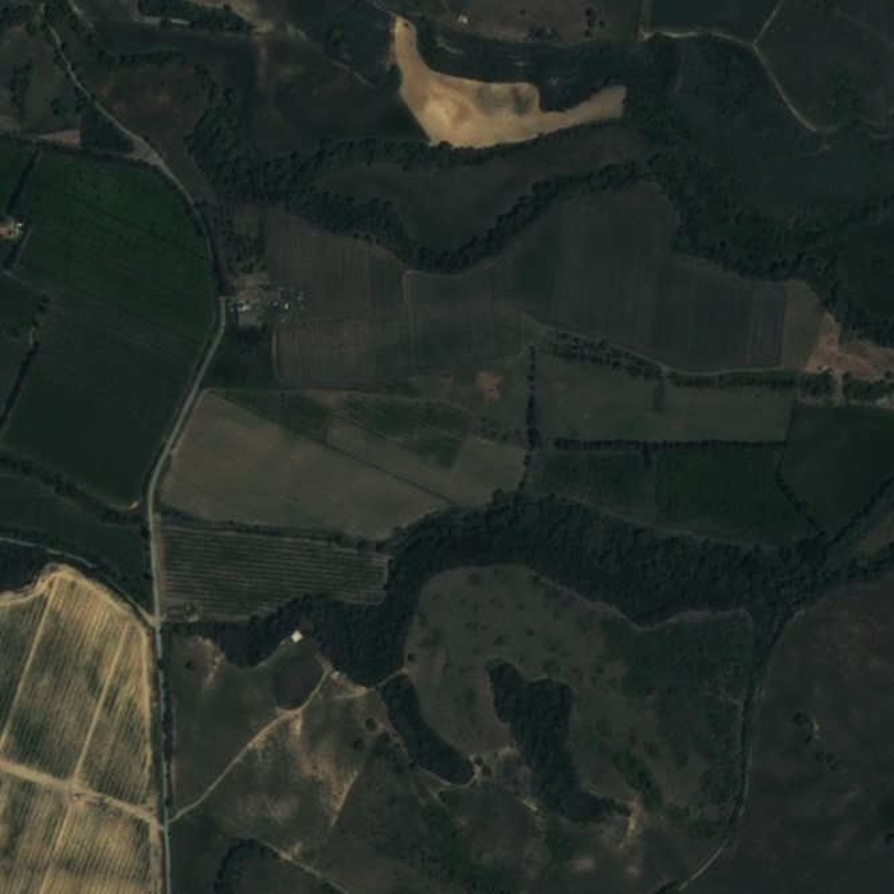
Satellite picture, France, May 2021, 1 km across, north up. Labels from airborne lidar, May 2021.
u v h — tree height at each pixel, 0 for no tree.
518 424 0
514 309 0
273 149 0
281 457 0
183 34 0
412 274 0
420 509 0
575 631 0
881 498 16
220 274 17
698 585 7
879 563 6
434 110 0
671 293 0
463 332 0
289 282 0
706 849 0
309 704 0
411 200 0
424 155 14
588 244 0
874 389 12
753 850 0
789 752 0
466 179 0
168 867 0
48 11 10
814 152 0
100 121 11
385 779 0
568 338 8
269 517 0
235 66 0
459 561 9
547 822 0
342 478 0
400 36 0
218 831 0
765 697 0
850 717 0
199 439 0
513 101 0
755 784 0
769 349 0
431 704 0
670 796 0
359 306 0
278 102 0
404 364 0
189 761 0
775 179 0
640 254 0
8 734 0
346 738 0
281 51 0
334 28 8
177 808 0
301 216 9
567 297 0
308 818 0
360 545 7
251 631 9
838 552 17
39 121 0
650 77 8
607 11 0
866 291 0
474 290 0
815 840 0
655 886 0
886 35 0
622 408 0
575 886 0
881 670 0
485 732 0
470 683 0
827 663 0
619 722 0
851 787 0
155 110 0
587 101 9
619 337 0
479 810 0
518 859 0
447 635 0
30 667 0
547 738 7
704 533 0
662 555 13
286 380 0
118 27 0
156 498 0
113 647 0
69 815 0
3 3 0
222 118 13
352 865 0
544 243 0
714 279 0
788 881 0
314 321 0
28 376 14
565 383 0
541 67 6
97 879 0
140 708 0
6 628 0
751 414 0
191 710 0
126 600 6
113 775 0
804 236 6
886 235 0
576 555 14
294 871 0
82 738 0
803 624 0
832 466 0
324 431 0
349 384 0
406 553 8
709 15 0
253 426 0
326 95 0
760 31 0
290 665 0
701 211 14
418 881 0
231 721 0
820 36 0
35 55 0
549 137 15
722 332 0
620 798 0
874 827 0
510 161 0
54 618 0
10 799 0
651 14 0
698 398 0
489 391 0
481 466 0
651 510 0
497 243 9
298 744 0
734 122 0
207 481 0
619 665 0
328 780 0
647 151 0
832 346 0
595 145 0
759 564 15
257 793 0
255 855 8
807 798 0
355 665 8
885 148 8
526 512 16
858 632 0
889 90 0
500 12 0
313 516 0
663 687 0
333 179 0
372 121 0
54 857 0
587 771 0
